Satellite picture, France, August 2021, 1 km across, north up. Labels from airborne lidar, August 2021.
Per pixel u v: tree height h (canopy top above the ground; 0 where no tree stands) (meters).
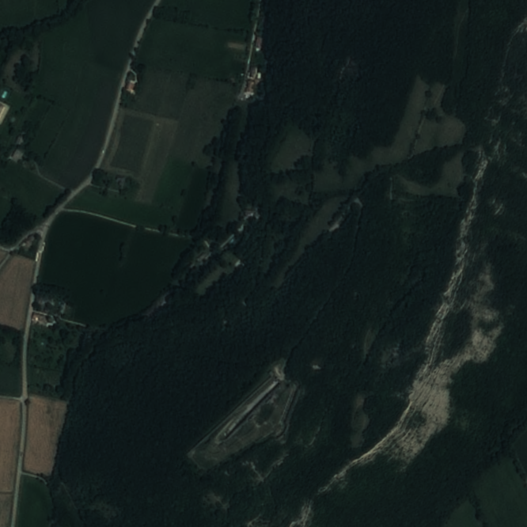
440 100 0
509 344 11
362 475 12
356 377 13
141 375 14
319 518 14
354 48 15
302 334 13
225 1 0
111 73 0
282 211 7
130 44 0
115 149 0
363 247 10
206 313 19
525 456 0
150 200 0
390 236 11
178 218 10
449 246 9
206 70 0
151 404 18
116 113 0
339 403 10
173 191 0
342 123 6
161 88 0
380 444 19
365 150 12
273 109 17
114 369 12
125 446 14
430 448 14
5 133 0
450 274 6
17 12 0
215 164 15
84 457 13
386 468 9
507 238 14
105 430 14
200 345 15
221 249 16
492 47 18
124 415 15
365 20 16
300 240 9
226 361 12
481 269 8
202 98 0
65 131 0
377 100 15
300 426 10
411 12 12
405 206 8
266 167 16
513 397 13
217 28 6
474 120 12
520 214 11
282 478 13
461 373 12
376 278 11
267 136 18
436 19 11
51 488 12
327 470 12
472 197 14
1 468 0
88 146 0
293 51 18
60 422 0
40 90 0
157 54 0
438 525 20
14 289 0
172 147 0
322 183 0
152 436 15
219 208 18
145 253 0
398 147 0
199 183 0
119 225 0
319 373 12
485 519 17
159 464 16
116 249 0
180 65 0
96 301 0
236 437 0
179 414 17
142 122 0
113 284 0
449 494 16
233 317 11
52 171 0
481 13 14
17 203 15
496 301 6
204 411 16
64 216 0
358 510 14
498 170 11
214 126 0
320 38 19
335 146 6
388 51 13
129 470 15
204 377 18
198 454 0
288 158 0
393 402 7
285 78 21
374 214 9
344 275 12
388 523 16
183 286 14
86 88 0
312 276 15
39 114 0
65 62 0
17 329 6
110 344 15
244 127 0
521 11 13
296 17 22
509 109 6
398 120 15
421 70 11
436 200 15
